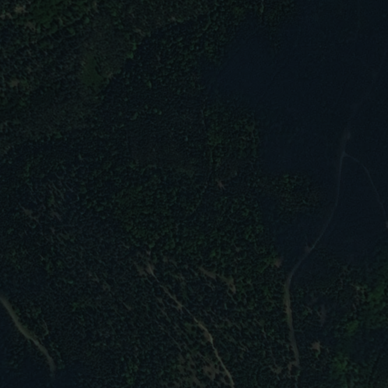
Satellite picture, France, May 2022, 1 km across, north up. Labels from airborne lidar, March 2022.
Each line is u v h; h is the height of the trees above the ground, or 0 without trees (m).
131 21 26
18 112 24
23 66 39
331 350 17
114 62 33
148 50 23
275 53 12
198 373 11
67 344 29
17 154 22
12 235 23
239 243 21
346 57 19
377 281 28
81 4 21
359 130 14
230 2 24
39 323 29
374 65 15
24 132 32
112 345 36
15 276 31
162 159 15
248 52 17
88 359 26
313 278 15
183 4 18
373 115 11
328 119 16
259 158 23
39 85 7
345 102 16
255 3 22
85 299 35
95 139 10
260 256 9
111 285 30
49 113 33
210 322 32
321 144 11
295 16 17
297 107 19
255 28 18
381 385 16
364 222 14
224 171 18
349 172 17
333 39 21
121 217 24
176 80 22
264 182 19
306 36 19
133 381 16
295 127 13
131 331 34
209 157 20
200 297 20
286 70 17
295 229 21
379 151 15
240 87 20
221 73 17
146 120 22
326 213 20
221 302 32
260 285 12
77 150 25
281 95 18
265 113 13
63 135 30
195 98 14
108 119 24
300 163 20
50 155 27
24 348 28
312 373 15
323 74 11
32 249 20
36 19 20
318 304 13
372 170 14
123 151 21
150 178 21
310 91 12
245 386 12
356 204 17
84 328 22
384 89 17
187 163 19
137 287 35
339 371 25
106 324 33
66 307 21
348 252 15
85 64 31
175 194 11
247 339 28
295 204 17
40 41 13
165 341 36
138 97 18
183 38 19
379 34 19
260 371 12
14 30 35
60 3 18
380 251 22
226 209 16
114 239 30
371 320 25
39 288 29
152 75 20
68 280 33
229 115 13
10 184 25
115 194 26
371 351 15
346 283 12
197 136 23
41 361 24
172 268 29
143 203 25
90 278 36
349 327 24
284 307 15
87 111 33
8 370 29
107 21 31
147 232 15
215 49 27
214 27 23
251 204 21
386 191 15
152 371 30
